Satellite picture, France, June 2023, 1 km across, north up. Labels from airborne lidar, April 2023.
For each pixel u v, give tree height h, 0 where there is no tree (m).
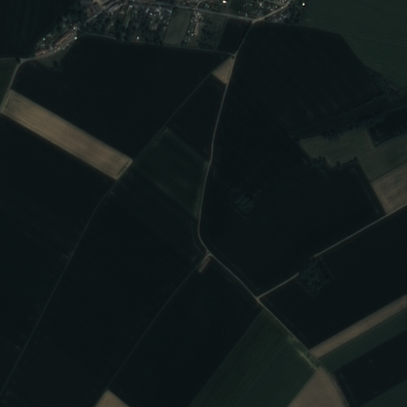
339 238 0
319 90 0
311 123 0
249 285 0
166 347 0
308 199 0
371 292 0
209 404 0
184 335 0
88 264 0
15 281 0
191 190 0
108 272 0
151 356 0
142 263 0
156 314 0
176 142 0
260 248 0
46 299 0
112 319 0
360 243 0
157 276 0
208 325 0
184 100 0
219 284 0
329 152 0
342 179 0
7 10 0
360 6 0
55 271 0
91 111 0
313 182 0
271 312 0
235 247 0
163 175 0
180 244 0
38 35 0
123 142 0
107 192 0
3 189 0
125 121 0
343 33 0
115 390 0
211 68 0
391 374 0
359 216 0
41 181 0
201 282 0
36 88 0
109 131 0
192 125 0
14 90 0
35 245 0
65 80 0
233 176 0
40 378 0
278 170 0
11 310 0
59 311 0
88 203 0
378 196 0
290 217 0
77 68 0
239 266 0
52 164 0
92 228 0
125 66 0
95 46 0
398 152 0
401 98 0
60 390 0
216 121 0
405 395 0
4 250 0
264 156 0
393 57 0
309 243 0
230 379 0
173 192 0
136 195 0
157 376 0
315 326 0
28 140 0
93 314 0
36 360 0
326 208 0
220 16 0
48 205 0
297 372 0
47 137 0
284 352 0
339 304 0
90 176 0
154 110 0
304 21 0
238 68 0
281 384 0
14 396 0
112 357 0
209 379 0
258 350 0
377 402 0
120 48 0
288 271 0
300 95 0
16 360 0
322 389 0
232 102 0
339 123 0
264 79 0
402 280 0
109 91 0
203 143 0
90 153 0
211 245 0
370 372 0
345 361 0
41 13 0
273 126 0
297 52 0
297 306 0
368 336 0
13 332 0
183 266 0
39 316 0
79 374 0
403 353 0
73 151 0
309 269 13
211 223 0
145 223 0
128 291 0
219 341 0
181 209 0
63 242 0
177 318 0
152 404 0
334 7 0
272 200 0
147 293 0
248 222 0
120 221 0
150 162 0
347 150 0
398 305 0
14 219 0
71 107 0
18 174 0
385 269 0
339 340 0
